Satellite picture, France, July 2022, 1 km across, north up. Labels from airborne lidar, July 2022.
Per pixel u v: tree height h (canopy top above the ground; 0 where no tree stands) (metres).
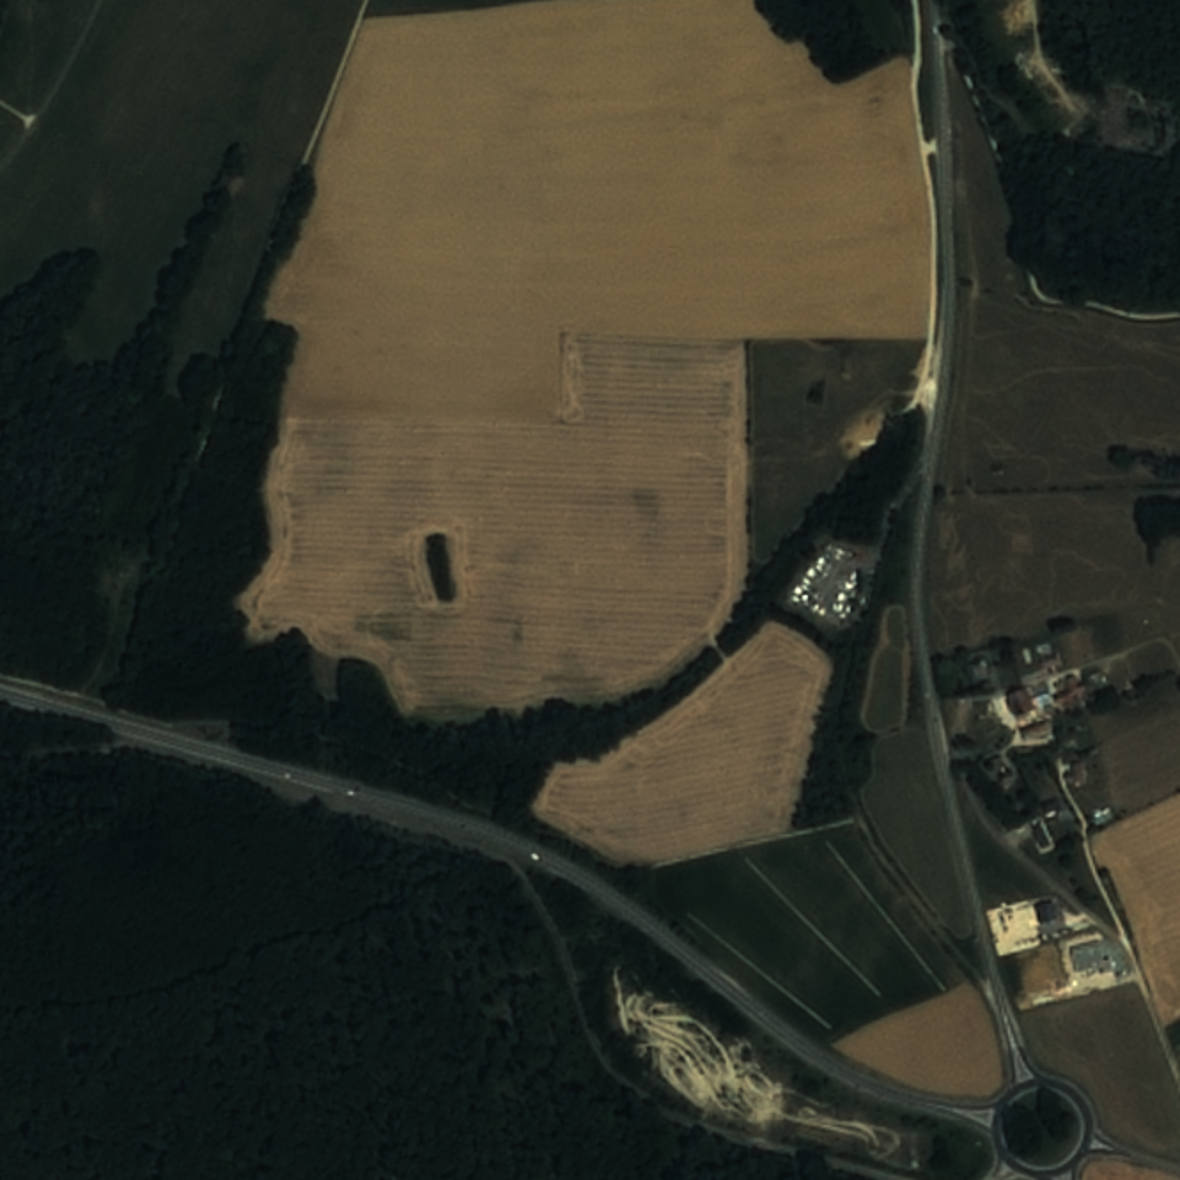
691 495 0
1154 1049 0
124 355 14
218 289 0
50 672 14
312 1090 18
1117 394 0
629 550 0
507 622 0
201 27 0
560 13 0
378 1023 23
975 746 15
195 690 9
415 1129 19
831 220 0
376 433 0
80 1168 19
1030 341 0
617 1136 23
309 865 11
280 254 14
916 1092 0
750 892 0
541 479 0
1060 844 8
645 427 0
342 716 24
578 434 0
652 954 7
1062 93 0
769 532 0
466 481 0
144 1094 20
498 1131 18
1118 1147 0
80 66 0
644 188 0
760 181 0
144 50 0
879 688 0
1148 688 7
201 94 0
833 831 0
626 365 0
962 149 0
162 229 0
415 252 0
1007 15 0
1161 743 0
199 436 13
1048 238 23
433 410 0
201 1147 20
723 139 0
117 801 23
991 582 0
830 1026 0
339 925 12
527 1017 23
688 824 0
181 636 18
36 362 19
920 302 0
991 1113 0
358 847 23
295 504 0
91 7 0
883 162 0
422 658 0
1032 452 0
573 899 8
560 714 25
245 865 13
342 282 0
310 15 0
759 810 0
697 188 0
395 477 0
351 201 0
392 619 0
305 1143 20
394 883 21
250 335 16
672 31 0
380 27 0
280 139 0
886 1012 0
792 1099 0
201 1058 22
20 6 0
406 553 0
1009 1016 0
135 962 14
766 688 0
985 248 0
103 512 13
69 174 0
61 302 19
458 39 0
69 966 14
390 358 0
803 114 0
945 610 0
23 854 25
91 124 0
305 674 16
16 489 19
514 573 0
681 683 9
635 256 0
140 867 17
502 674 0
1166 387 0
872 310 0
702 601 0
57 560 18
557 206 0
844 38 25
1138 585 0
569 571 0
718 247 0
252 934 12
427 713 0
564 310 0
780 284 0
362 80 0
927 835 0
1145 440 0
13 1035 22
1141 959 0
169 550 16
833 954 0
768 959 0
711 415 0
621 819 0
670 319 0
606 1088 9
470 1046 23
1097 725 0
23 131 0
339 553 0
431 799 9
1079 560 0
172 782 15
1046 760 6
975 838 0
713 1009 11
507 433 0
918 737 0
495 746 23
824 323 0
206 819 15
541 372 0
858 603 10
